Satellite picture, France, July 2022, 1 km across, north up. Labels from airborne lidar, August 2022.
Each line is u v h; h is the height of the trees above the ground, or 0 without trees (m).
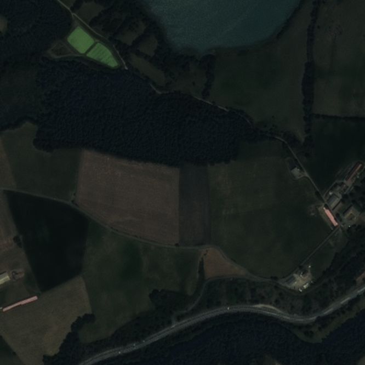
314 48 0
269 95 0
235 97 0
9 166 0
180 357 27
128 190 0
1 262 0
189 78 0
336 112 0
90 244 0
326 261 0
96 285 0
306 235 0
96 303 0
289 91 0
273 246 0
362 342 23
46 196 0
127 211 0
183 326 0
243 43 0
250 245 0
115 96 25
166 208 0
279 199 0
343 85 0
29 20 22
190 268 0
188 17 0
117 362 8
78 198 0
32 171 0
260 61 0
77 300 0
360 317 24
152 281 0
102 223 0
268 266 0
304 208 0
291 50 0
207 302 14
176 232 0
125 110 20
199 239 0
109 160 0
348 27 0
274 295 0
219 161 14
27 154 0
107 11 16
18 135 0
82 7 0
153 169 0
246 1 0
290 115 0
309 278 0
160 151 17
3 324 0
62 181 0
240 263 0
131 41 0
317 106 0
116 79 27
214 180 0
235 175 0
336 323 0
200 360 22
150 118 21
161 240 0
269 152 0
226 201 0
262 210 0
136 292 0
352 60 0
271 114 0
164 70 12
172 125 17
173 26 0
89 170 0
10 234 0
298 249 0
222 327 21
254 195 0
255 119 0
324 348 21
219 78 0
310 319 0
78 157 0
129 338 9
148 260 0
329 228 0
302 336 0
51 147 22
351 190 0
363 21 0
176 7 0
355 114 0
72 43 0
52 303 0
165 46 8
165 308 7
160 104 24
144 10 0
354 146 0
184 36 0
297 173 0
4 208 0
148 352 18
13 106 0
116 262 0
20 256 0
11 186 0
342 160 0
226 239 0
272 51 0
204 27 0
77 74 26
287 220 0
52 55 0
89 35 0
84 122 20
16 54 25
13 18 15
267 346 21
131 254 0
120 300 0
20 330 0
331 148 0
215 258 0
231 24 0
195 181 0
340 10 0
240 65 0
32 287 0
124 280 0
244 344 19
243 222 0
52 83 19
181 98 11
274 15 0
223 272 0
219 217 0
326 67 0
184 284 0
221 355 18
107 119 20
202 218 0
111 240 0
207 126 26
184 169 0
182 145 29
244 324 28
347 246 7
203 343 37
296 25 0
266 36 0
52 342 0
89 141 24
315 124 0
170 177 0
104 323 0
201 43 0
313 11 8
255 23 0
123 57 18
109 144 20
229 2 0
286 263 0
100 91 26
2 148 0
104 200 0
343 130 0
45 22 15
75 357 10
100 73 10
